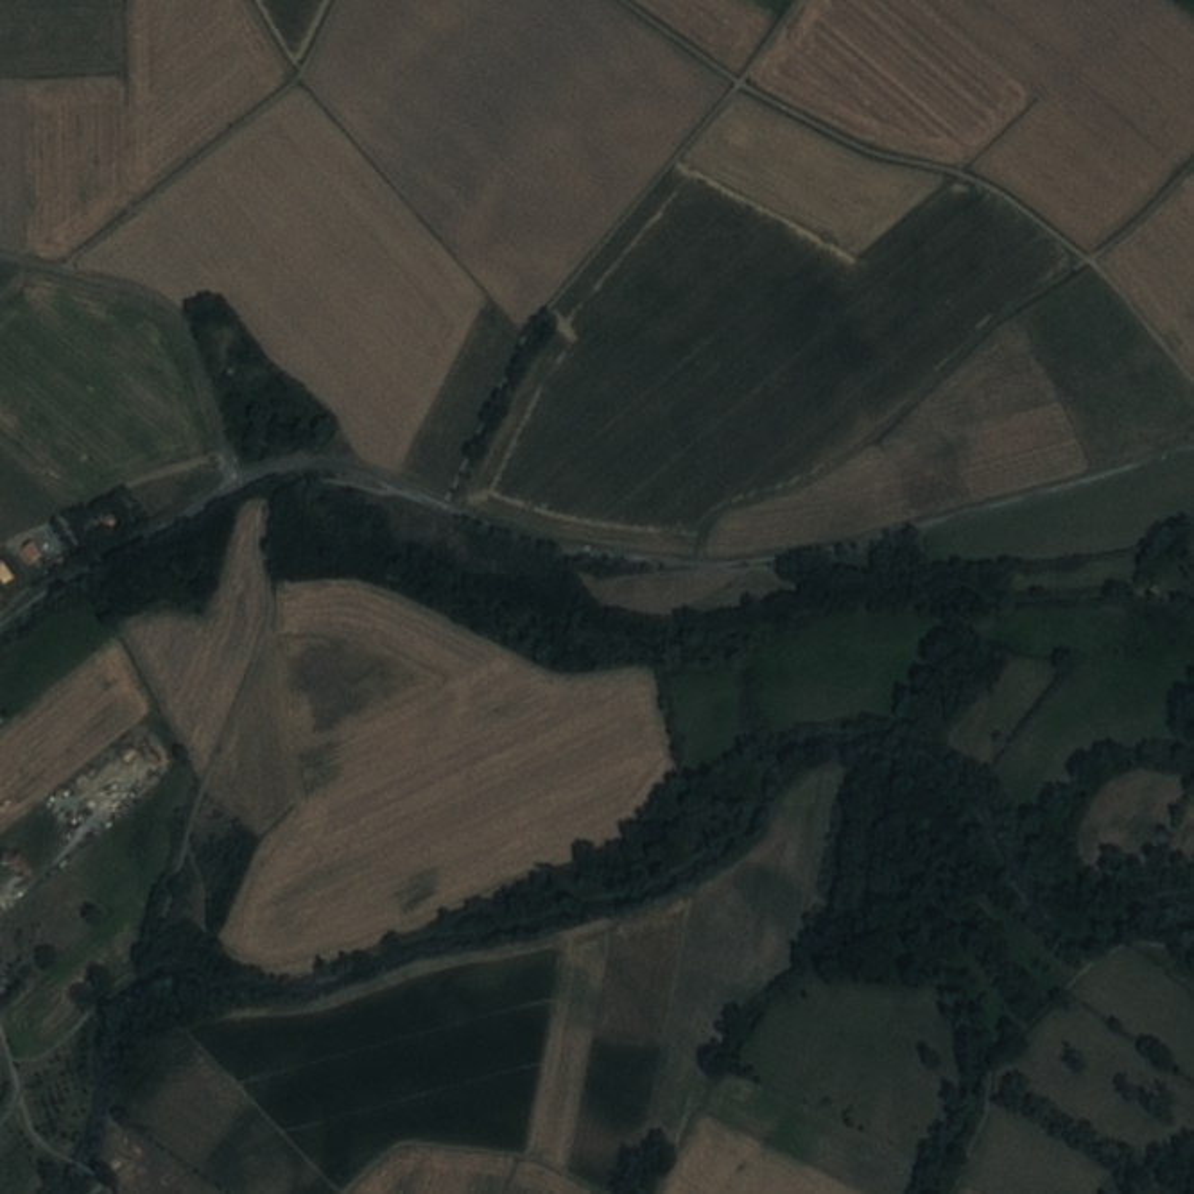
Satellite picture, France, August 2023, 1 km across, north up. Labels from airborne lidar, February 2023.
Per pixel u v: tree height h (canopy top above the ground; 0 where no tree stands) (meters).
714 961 0
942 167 0
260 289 0
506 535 10
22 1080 0
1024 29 0
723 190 0
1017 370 0
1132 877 15
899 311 0
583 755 0
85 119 0
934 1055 16
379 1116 0
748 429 0
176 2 0
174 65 0
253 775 0
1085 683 0
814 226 0
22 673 0
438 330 0
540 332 15
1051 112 0
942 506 0
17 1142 0
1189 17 0
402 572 22
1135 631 0
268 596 0
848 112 0
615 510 0
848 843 16
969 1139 16
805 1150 0
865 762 15
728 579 0
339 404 0
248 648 0
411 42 0
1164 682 0
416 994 0
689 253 0
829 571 13
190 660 0
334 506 15
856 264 0
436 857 0
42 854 0
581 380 0
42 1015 0
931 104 0
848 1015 0
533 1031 0
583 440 0
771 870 0
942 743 12
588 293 0
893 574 13
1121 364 0
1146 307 0
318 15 0
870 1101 0
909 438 0
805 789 0
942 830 15
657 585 0
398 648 0
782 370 0
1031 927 8
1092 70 0
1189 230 0
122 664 0
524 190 0
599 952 0
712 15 0
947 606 15
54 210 0
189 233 0
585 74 0
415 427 0
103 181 0
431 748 0
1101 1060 0
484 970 0
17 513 0
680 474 0
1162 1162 23
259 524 0
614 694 0
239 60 0
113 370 0
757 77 0
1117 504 0
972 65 0
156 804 0
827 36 0
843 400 0
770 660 0
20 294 0
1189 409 0
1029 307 0
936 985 23
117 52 0
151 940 10
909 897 6
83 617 0
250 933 0
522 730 0
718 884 0
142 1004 16
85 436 0
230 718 0
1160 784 0
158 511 0
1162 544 21
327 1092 0
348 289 0
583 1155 0
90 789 0
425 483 0
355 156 0
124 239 0
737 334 0
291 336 0
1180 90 0
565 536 0
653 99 0
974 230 0
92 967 0
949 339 0
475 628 11
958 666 24
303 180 0
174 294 0
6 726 0
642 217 0
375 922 0
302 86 0
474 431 0
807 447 0
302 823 0
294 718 0
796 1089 0
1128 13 0
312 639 0
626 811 0
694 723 0
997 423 0
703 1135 0
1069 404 0
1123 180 0
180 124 0
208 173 0
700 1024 0
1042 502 0
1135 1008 0
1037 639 0
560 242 0
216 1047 0
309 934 0
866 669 0
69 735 0
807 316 0
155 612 0
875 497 0
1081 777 20
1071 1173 0
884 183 0
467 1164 0
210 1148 0
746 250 0
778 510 0
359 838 0
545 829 0
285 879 0
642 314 0
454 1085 0
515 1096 0
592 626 16
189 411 0
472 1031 0
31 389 0
